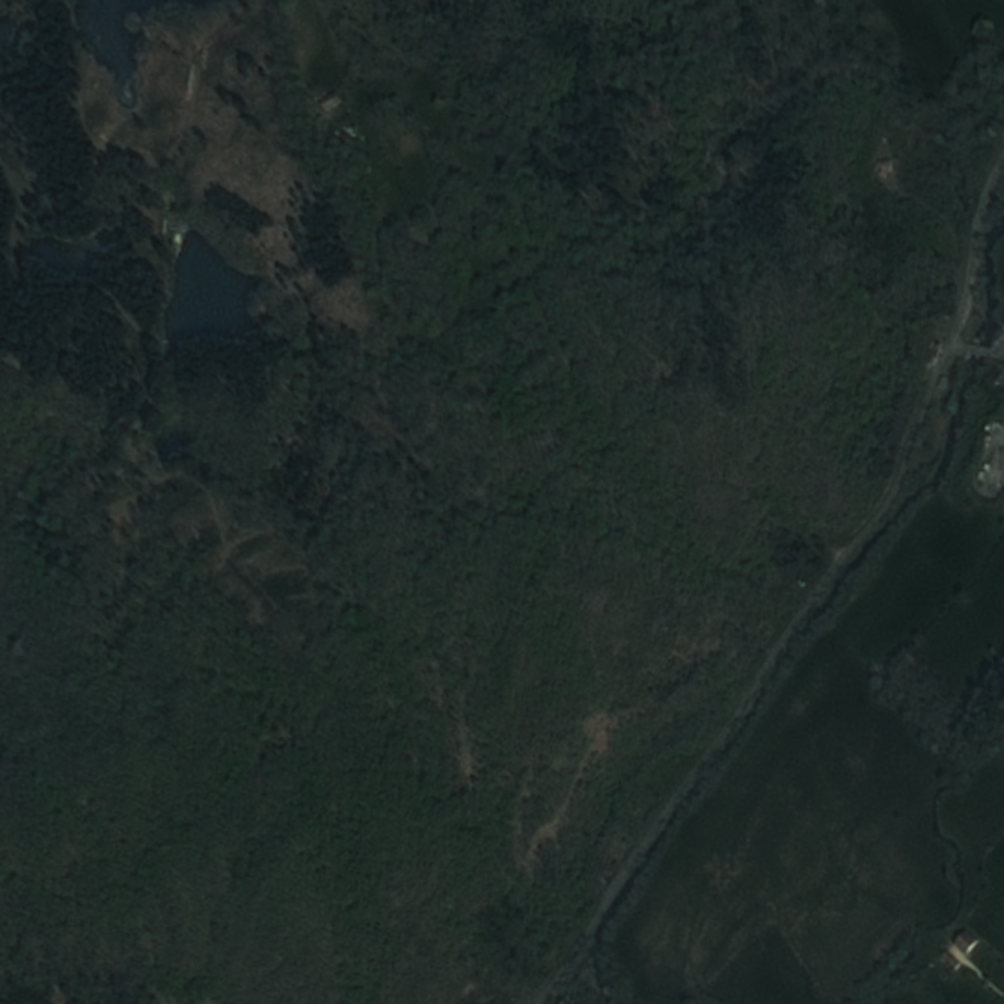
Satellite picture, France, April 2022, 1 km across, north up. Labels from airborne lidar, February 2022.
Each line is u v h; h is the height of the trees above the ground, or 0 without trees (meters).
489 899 10
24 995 17
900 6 0
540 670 17
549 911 18
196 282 0
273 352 24
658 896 0
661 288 21
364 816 20
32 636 13
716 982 0
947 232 6
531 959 23
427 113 0
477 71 21
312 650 13
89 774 10
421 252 21
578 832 16
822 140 14
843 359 22
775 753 0
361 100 0
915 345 23
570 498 27
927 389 0
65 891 19
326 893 23
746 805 0
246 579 0
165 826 22
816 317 12
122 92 0
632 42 19
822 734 0
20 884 23
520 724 9
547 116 26
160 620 22
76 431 25
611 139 37
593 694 23
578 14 10
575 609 18
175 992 23
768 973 0
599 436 25
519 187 19
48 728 22
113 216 23
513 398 23
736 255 17
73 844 19
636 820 13
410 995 10
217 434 15
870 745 0
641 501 31
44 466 27
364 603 23
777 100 29
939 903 0
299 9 0
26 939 23
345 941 21
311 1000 19
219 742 15
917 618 0
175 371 19
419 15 19
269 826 21
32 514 20
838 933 0
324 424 10
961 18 0
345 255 18
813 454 21
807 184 14
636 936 0
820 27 20
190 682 19
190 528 0
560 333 19
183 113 0
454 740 25
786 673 20
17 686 21
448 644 27
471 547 19
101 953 16
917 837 0
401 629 20
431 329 15
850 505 19
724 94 25
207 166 0
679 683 8
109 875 25
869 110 22
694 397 16
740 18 23
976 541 0
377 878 19
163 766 20
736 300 19
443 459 20
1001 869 0
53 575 25
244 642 22
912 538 0
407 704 23
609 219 22
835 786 0
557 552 13
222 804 21
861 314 11
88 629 22
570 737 20
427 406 17
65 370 21
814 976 0
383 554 18
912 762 0
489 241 14
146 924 23
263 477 20
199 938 25
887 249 6
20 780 20
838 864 0
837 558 0
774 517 17
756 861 0
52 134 25
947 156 10
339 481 18
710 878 0
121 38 0
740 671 20
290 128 17
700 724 21
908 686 17
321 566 22
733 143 10
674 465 25
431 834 21
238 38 0
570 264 24
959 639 0
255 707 19
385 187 0
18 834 20
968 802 0
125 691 24
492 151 20
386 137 0
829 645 0
